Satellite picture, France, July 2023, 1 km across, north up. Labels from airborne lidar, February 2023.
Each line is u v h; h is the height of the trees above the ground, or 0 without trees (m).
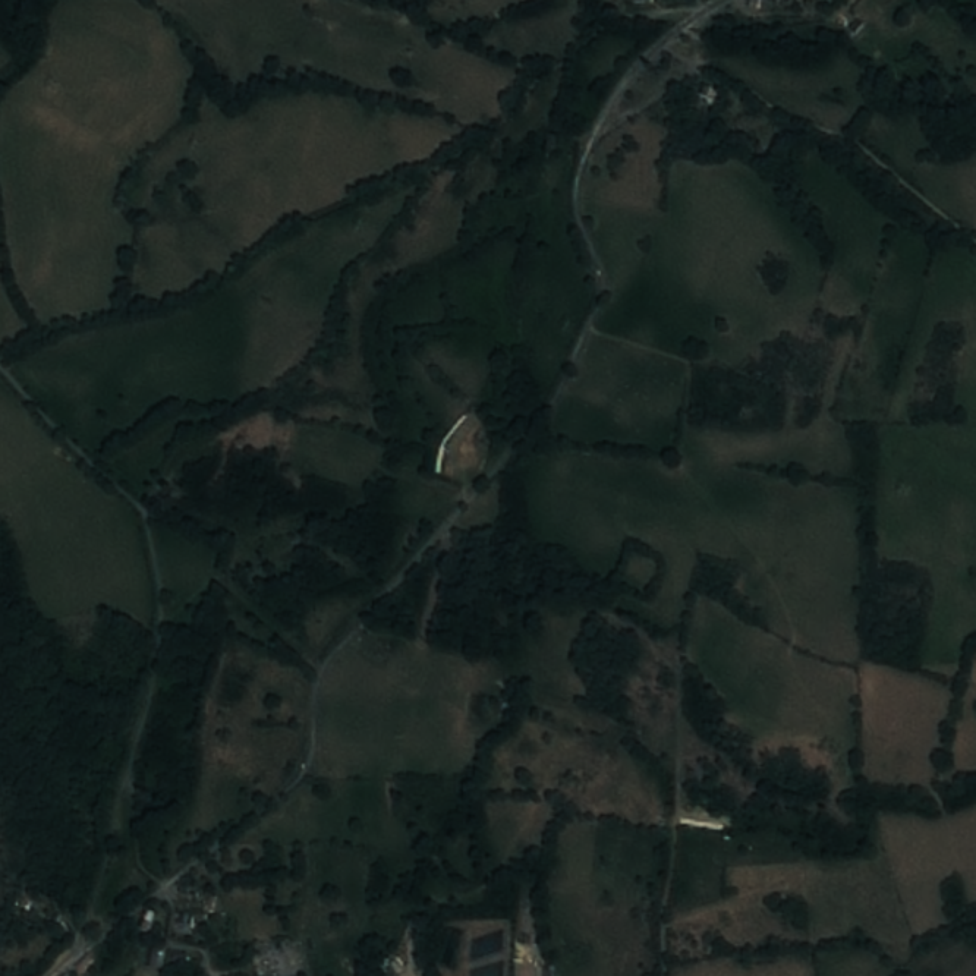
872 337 0
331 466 0
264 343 0
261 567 16
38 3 21
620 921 0
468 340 0
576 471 0
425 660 0
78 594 0
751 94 15
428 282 0
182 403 13
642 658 6
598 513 0
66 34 0
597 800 0
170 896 0
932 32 0
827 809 16
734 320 0
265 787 0
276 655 13
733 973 0
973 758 0
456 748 0
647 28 18
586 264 14
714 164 8
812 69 7
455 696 0
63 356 0
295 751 0
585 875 0
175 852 0
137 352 0
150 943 14
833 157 22
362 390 0
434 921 7
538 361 0
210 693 10
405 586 7
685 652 8
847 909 0
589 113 0
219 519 7
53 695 14
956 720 6
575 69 14
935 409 8
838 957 0
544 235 0
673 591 0
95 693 18
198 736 20
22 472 0
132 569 0
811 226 20
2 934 9
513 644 8
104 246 0
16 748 12
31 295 0
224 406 14
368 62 0
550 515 0
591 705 14
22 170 0
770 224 0
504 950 0
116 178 0
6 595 15
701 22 0
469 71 0
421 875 13
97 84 0
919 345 0
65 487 0
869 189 17
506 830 0
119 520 0
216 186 0
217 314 0
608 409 0
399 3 17
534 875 12
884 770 0
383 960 13
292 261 0
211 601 16
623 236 0
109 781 15
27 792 8
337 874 0
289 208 0
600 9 15
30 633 15
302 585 16
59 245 0
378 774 0
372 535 15
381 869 7
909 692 0
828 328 9
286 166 0
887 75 17
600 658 11
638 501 0
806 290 0
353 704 0
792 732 0
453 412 0
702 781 12
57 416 0
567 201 0
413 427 0
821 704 0
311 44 0
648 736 7
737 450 0
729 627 0
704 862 0
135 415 0
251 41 0
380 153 0
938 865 0
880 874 0
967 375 0
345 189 0
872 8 0
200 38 0
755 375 8
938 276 0
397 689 0
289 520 11
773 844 0
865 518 7
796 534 0
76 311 0
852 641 0
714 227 0
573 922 0
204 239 0
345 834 0
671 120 9
